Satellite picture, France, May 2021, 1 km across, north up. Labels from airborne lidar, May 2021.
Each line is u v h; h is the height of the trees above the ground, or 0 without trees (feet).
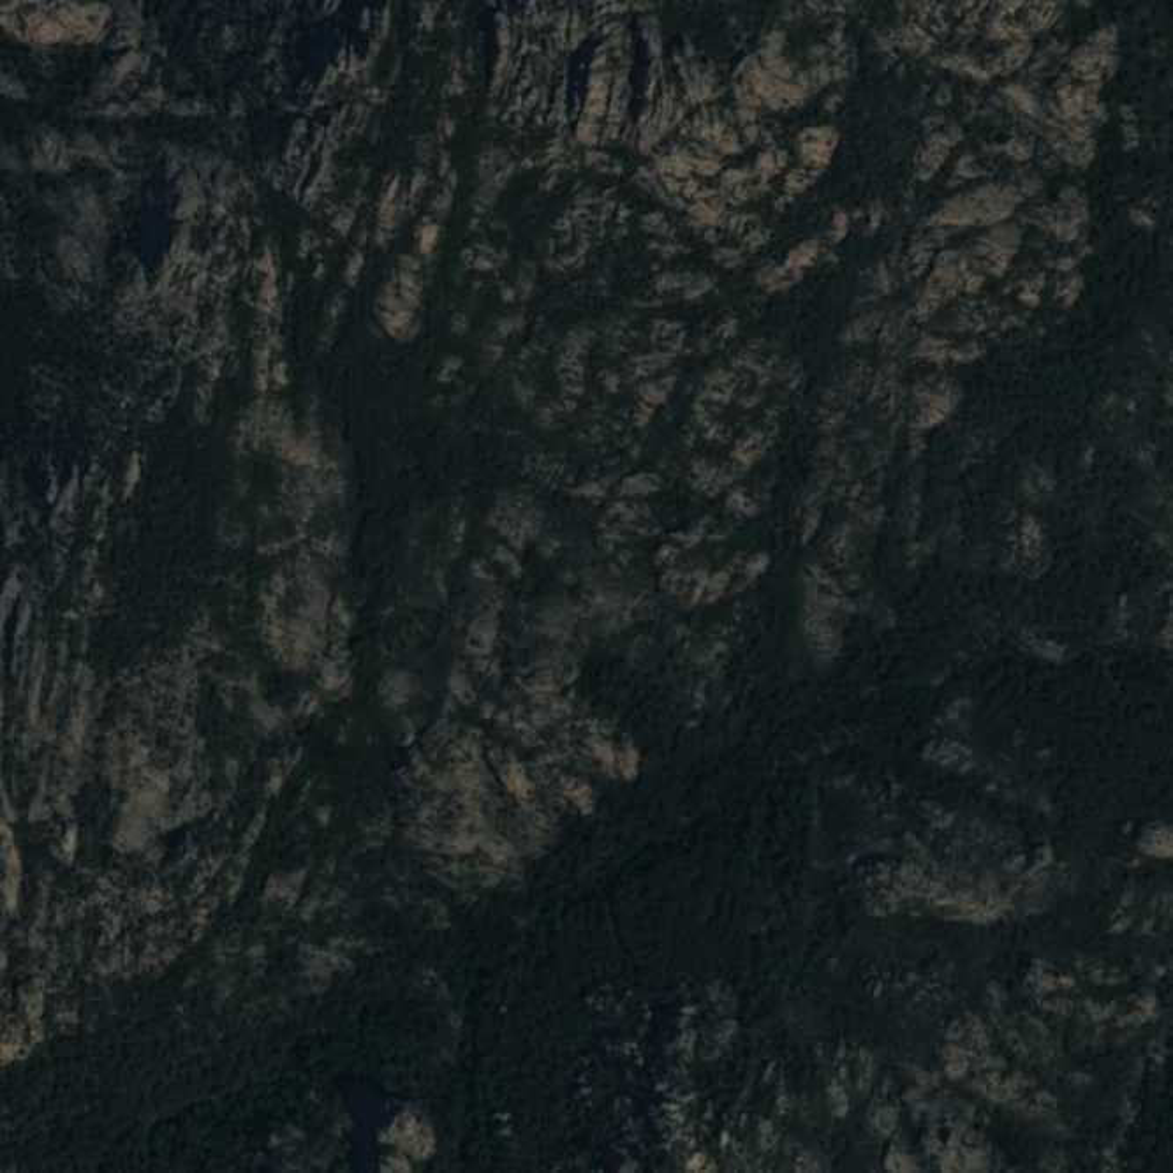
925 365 33
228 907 88
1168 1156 70
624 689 55
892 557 52
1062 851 29
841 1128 37
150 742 21
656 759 49
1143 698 64
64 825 48
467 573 21
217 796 47
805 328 47
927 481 24
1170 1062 31
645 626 54
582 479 46
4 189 34
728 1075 39
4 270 34
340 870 34
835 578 44
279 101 62
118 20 25
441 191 35
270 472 26
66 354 45
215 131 35
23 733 70
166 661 39
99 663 49
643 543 17
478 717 20
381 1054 41
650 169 48
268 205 28
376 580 36
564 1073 73
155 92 23
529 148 29
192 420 38
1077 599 63
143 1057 64
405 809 62
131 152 45
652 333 25
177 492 33
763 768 50
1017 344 52
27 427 32
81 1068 65
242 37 27
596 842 102
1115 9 56
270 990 66
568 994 58
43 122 33
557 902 70
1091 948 20
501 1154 54
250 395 31
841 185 46
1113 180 38
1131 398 47
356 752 22
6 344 44
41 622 36
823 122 23
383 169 31
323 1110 62
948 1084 36
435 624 24
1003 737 21
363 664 67
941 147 17
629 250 40
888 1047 47
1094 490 45
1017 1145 58
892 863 55
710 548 19
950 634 62
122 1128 99
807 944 33
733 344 54
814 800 41
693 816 56
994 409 24
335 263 27
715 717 54
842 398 36
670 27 21
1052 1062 28
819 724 55
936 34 31
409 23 43
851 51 29
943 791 54
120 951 22
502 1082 55
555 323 21
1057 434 53
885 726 29
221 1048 52
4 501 27
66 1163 69
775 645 52
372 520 55
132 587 40
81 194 0
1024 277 36
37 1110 38
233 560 33
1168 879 41
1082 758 61
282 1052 70
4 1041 23
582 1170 42
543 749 48
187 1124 86
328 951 21
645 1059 41
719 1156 37
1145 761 57
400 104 54
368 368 43
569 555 47
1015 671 58
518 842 19
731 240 38
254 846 49
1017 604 41
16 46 22
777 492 68
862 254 54
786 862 60
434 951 50
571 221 29
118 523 44
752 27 36
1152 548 35
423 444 64
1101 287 71
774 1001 39
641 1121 55
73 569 27
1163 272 63
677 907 64
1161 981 20
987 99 51
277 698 52
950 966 41
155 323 0
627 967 61
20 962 38
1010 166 52
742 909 57
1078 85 48
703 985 28
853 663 55
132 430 33
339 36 30
